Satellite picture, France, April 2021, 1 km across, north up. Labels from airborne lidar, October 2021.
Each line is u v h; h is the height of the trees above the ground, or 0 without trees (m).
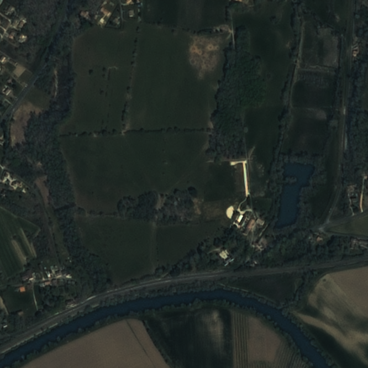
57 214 17
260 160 0
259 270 17
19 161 22
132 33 0
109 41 0
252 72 27
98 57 0
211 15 0
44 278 0
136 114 0
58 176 24
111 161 0
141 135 0
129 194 0
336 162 0
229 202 0
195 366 0
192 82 0
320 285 0
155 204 19
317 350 8
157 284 0
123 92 0
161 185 0
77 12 24
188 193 14
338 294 0
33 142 20
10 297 0
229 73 27
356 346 0
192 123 0
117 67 0
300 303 13
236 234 11
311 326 0
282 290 0
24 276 0
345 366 0
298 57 12
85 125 0
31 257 0
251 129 0
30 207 0
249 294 9
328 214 0
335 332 0
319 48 0
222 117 22
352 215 0
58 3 14
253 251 15
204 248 19
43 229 7
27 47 18
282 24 0
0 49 0
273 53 0
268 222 17
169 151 0
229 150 11
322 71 0
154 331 0
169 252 0
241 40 24
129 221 7
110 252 0
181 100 0
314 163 18
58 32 0
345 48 19
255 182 0
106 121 0
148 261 0
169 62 0
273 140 0
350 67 0
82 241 15
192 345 0
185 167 0
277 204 13
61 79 7
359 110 15
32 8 16
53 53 21
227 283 14
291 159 22
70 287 6
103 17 0
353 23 0
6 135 19
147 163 0
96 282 19
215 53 0
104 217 15
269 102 0
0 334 9
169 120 0
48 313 14
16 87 9
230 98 22
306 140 0
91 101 0
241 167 0
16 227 0
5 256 0
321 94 0
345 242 10
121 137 0
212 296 0
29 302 0
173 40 0
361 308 0
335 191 0
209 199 0
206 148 0
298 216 13
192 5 0
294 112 0
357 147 17
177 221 17
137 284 20
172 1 0
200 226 0
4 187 7
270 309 0
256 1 13
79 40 0
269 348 0
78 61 0
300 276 10
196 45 0
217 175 0
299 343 0
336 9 0
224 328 0
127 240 0
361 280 0
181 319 0
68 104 15
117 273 0
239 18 0
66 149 0
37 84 9
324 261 18
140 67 0
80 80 0
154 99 0
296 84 0
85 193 0
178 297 0
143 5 0
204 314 0
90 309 14
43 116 16
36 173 18
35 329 0
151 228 0
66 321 13
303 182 0
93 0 21
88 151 0
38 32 18
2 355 7
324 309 0
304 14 0
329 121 9
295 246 19
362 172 13
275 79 0
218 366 0
